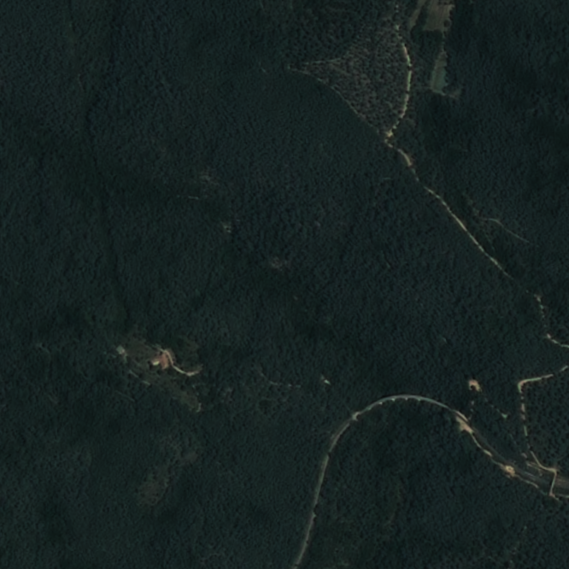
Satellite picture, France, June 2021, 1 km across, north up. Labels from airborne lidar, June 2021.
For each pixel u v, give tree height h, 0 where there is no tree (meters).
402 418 14
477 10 13
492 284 19
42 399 16
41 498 11
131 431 11
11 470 18
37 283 11
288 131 19
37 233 16
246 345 14
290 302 9
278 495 18
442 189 16
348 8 11
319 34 11
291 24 7
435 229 17
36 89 18
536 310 17
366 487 19
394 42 13
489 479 20
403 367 15
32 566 17
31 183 19
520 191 20
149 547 12
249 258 12
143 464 13
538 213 13
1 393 15
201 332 13
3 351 18
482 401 15
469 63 14
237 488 12
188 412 14
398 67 13
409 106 9
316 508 11
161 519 11
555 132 15
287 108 19
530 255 16
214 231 12
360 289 15
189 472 12
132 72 17
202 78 12
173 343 15
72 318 18
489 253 14
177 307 12
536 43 17
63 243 18
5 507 17
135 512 13
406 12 16
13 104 18
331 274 11
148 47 17
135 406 9
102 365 11
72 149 15
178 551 16
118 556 14
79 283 21
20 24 15
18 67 18
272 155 18
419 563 22
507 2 16
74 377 10
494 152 17
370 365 12
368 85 11
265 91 12
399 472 19
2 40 17
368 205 17
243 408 14
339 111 19
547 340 14
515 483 13
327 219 16
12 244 10
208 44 14
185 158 7
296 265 8
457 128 7
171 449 10
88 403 12
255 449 14
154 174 20
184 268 11
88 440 12
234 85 16
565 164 10
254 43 11
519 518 15
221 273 9
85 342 14
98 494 13
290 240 15
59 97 9
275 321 19
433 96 11
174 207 13
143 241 17
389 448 16
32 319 16
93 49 20
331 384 8
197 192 6
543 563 19
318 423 20
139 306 18
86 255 21
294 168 19
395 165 17
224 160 19
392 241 18
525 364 14
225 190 7
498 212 11
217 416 16
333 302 15
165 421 11
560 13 18
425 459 19
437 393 20
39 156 12
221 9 13
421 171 16
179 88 8
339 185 11
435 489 21
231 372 16
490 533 13
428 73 13
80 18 10
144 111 18
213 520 13
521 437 13
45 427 7
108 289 15
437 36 13
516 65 18
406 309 20
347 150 15
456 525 20
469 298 15
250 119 16
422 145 13
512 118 16
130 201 9
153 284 16
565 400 14
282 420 14
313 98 18
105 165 8
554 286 9
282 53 14
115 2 14
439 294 16
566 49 15
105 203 11
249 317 12
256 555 14
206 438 13
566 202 19
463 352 8
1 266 13
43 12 17
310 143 14
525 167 16
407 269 19
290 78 16
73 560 12
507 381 13
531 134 20
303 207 16
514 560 12
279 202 9
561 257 14
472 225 17
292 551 17
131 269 16
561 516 19
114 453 10
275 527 20
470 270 14
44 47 14
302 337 11
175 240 19
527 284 16
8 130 13
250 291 19
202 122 18
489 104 17
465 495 16
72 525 15
